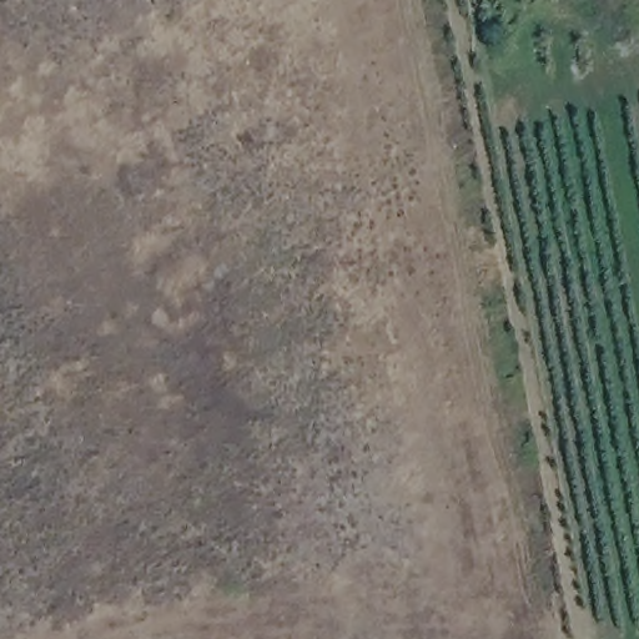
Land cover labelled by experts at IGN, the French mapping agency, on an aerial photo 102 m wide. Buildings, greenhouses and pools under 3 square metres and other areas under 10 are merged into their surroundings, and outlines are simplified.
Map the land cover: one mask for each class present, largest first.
<instances>
[{"label":"herbaceous vegetation","instance_id":"1","mask_svg":"<svg viewBox=\"0 0 639 639\"><path fill-rule=\"evenodd\" d=\"M494 25H502L509 37L497 57L487 52V47L477 40ZM454 57L459 62L464 80V105L469 115L467 130L459 127L454 82L449 75V60ZM482 85L489 122L499 127L537 120L542 122V130H549V112H554L557 122L564 117H577L579 127L587 122V110H594V127L604 162L607 192L622 252V272L629 290V312L639 342V207L629 175L619 95L627 97L629 105L632 140L639 155V0H0V639H639V572L632 549V537L622 542L637 614V624L627 622V637L619 632V627H612V622L594 624L592 612L577 607L574 602L572 567L567 559L564 532L559 524L554 494L567 487L562 472V454L554 439L544 437L539 419L542 404H547L552 397L547 384V369L542 362L532 287L529 282L522 285L524 312H519L514 302L512 270L507 265L504 235L492 192L474 85Z\"/></svg>","mask_w":639,"mask_h":639},{"label":"deciduous trees","instance_id":"2","mask_svg":"<svg viewBox=\"0 0 639 639\"><path fill-rule=\"evenodd\" d=\"M477 40L487 47V52L497 57L509 37L502 25H494ZM449 75L454 82L459 127L467 130L469 115L464 105V80L459 62L454 57L449 60ZM492 192L504 235L507 265L512 270L514 302L519 312H524L522 285L529 282L532 287L542 362L547 369V384L552 397L547 404H542L539 419L544 437L554 439L562 454V472L567 487L554 494L559 524L564 532L567 559L572 567L574 602L577 607L592 612L594 624L612 622V627H619V632L627 637V622L637 624V614L622 542L632 537V549L639 572V342L629 312V290L622 272V252L607 192L604 162L594 127V110H587V122L579 127L577 117H564L557 122L554 112H549V130H542V122L537 120L499 127L489 122L482 85H474ZM629 175L639 207V155L632 140L629 105L627 97L619 95Z\"/></svg>","mask_w":639,"mask_h":639}]
</instances>
